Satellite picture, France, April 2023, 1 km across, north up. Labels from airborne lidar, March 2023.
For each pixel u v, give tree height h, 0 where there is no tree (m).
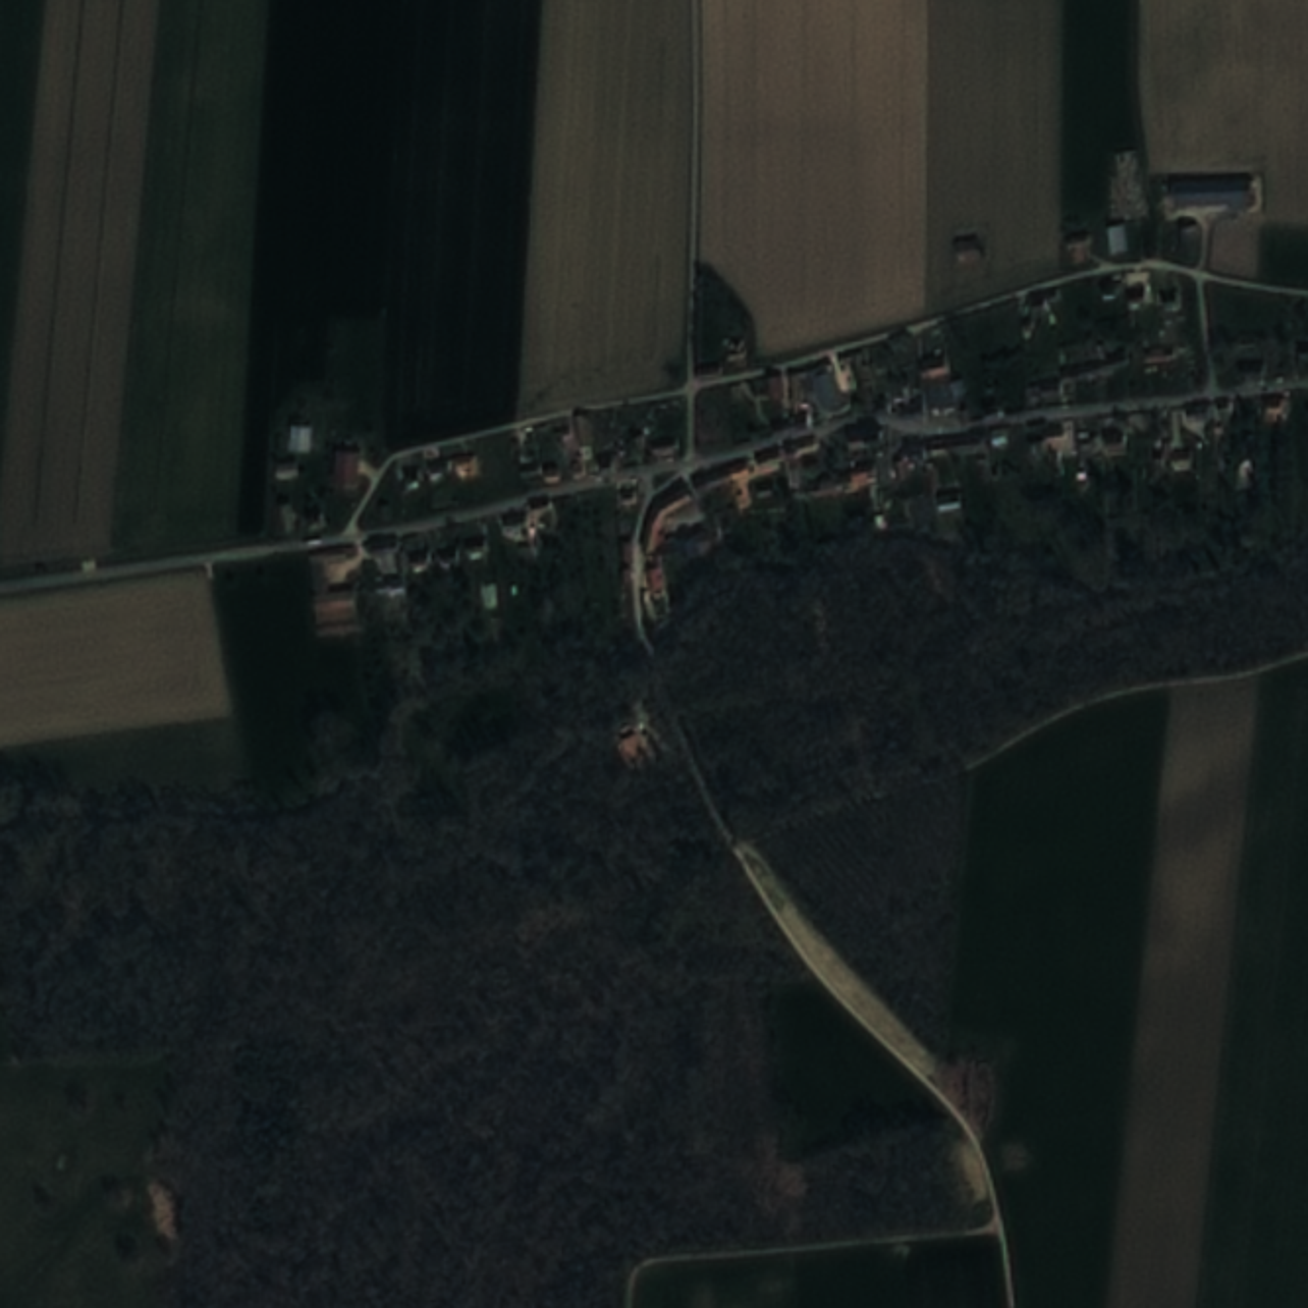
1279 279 0
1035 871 0
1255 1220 0
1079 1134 0
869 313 0
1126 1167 0
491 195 0
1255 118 0
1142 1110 0
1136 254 0
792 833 16
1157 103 0
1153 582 33
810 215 0
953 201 0
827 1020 0
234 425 0
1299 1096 0
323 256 0
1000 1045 0
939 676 16
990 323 0
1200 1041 0
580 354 0
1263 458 13
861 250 0
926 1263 0
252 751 0
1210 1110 0
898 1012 7
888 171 0
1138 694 0
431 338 0
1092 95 0
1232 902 0
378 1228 21
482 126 0
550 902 29
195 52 0
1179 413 0
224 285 0
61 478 0
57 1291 0
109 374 0
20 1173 0
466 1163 13
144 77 0
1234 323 0
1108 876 0
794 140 0
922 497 0
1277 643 11
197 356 0
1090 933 0
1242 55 0
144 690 0
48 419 0
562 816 13
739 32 0
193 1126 5
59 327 0
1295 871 0
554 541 8
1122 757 0
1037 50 0
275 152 0
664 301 0
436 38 0
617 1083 25
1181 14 0
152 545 0
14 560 0
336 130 0
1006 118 0
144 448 0
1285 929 0
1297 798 0
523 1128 8
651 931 13
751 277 0
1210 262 0
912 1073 0
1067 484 0
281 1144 22
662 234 0
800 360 0
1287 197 0
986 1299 0
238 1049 12
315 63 0
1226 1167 0
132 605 0
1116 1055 0
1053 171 0
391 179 0
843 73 0
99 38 0
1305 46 0
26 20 0
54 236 0
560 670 30
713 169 0
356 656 0
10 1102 0
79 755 0
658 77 0
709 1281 0
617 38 0
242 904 22
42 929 28
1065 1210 0
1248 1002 0
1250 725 0
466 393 0
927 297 0
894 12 0
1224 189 0
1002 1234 0
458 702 21
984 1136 0
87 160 0
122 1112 0
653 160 0
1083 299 0
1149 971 0
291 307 0
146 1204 0
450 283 0
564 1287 13
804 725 22
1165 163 0
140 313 0
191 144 0
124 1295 0
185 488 0
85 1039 27
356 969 23
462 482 0
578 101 0
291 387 0
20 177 0
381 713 0
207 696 0
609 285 0
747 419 0
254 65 0
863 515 5
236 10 0
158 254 0
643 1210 19
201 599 0
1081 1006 0
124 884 32
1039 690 31
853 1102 0
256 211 0
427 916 23
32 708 0
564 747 20
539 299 0
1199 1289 0
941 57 0
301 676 0
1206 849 0
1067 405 0
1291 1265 0
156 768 0
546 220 0
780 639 13
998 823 0
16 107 0
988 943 0
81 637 0
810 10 0
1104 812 0
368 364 0
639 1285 0
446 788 0
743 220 0
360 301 0
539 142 0
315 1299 20
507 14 0
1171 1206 0
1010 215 0
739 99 0
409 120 0
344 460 0
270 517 0
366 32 0
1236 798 0
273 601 0
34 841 37
